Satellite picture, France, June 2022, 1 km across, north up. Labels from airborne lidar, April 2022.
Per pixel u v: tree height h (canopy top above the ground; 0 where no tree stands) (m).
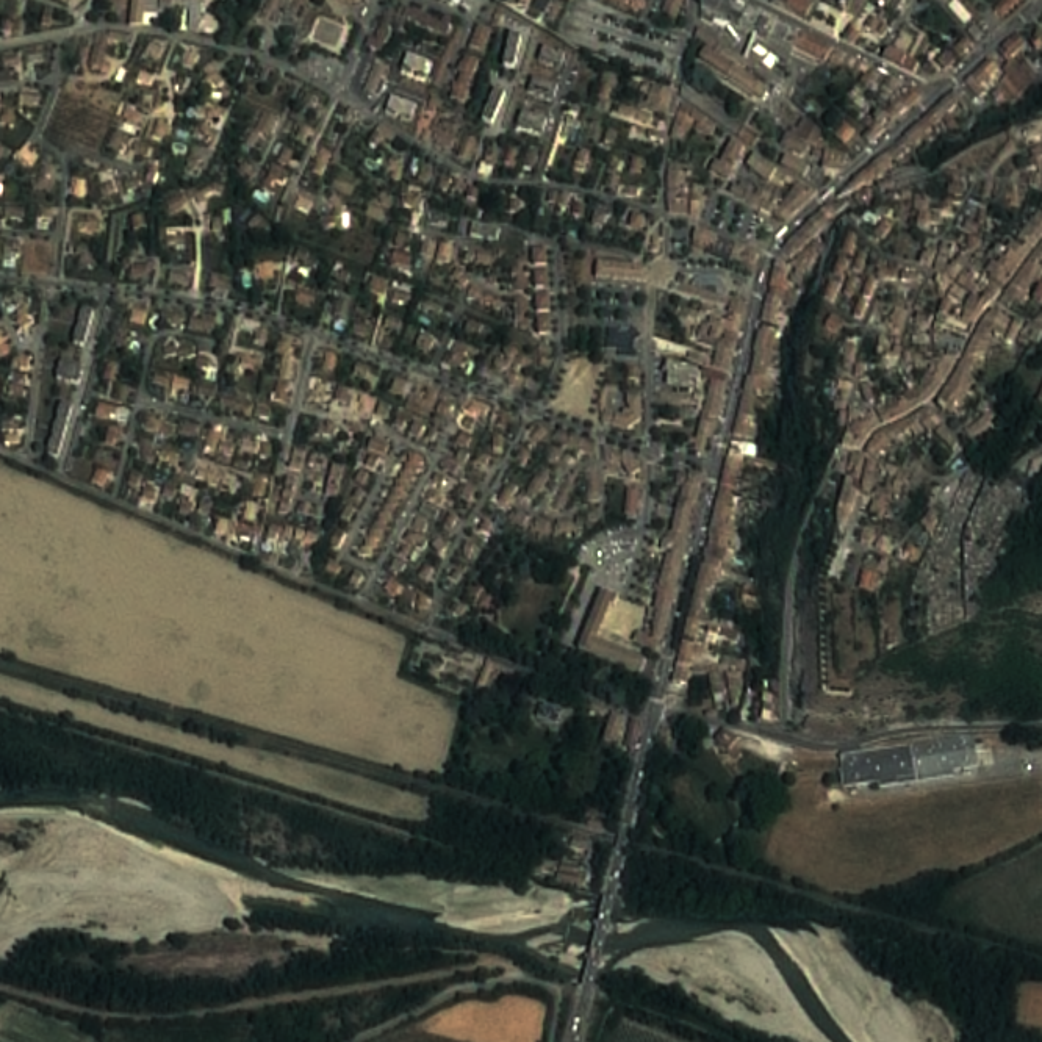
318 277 11
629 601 8
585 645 0
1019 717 7
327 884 0
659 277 0
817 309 8
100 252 12
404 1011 9
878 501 0
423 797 13
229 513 7
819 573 5
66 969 12
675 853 16
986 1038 22
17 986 8
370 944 19
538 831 20
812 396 9
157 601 0
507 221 8
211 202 0
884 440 0
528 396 9
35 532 0
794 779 12
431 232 0
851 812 0
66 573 0
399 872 10
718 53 0
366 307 14
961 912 0
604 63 7
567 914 0
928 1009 0
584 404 0
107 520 0
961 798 0
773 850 0
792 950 0
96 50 0
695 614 0
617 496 0
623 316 14
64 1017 12
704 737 21
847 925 15
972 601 9
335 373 6
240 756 0
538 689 26
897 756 0
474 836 16
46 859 0
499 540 15
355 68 0
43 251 0
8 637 0
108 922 0
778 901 19
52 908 0
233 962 0
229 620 0
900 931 20
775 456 7
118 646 0
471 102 13
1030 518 12
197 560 0
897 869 0
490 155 0
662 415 10
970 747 0
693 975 0
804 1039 0
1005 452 15
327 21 0
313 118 6
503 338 11
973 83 0
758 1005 0
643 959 0
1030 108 6
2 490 0
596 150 11
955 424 10
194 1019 10
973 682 8
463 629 17
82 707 0
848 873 0
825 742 0
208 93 9
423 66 0
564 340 6
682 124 0
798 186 0
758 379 0
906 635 7
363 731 0
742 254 0
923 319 0
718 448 0
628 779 14
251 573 16
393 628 0
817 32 0
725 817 0
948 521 0
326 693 0
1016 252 0
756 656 11
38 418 0
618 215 15
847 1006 0
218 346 7
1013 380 16
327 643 0
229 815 7
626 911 9
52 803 0
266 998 9
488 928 0
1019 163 14
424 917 0
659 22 10
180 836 0
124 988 23
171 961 0
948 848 0
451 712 0
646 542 6
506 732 17
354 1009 8
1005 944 10
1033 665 7
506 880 13
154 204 12
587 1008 0
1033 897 0
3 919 0
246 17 22
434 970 6
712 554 0
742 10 0
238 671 0
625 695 22
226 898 0
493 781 23
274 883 0
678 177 0
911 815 0
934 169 7
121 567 0
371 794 0
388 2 10
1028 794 0
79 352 0
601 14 0
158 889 0
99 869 0
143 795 11
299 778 0
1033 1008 0
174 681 0
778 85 0
